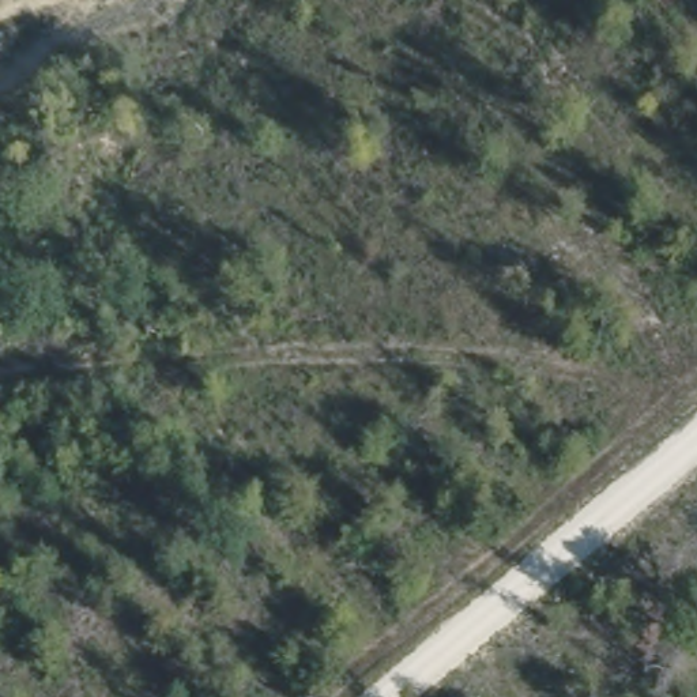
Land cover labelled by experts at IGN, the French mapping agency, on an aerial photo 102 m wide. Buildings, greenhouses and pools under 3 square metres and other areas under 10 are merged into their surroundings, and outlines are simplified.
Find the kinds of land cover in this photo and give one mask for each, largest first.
<instances>
[{"label":"coniferous trees","instance_id":"1","mask_svg":"<svg viewBox=\"0 0 697 697\"><path fill-rule=\"evenodd\" d=\"M664 316L670 321H697V0H95V8L90 14L57 3L38 14L22 11L0 22V354L11 349L44 354L46 349L60 346L65 354H74L79 359V368L90 373V381H46L44 387L30 381L16 384L14 378L0 376V697H362L365 689L376 686V681L389 667L414 653L419 643L438 632L441 623L466 610L476 596L487 594L509 569H517L528 555L523 550H509L504 542H509L515 531L534 515L536 504L550 493L553 485H564L566 479L580 476L594 457L602 455V449L610 447V433L599 436V430L588 419H542V408L531 398L542 387V381H569L583 362L591 365L596 359H604L615 370H629L643 359L645 351L637 335L640 329L653 327ZM569 569L561 580L550 583L545 594L528 602L525 610L509 626L496 632L485 645L476 648V653L466 656V662L457 670L447 672V678L438 686L425 689L419 697H697V468L672 493L651 504L643 512V517H637L629 528L618 531L615 536H607L591 555H585L583 561L572 555V561H566Z\"/></svg>","mask_w":697,"mask_h":697},{"label":"herbaceous vegetation","instance_id":"2","mask_svg":"<svg viewBox=\"0 0 697 697\"><path fill-rule=\"evenodd\" d=\"M637 335L645 351L643 359L629 370H615L604 359H596L591 365L583 362L569 381H542V387L531 398L542 408V419H588L599 430V436L610 433V447L602 449V455L594 457L580 476L566 479L564 485H553L550 493L536 504L534 515L515 531L509 542H504L509 550H523L528 555H534L542 547V542L553 531L572 520L577 509H583L602 490H607L618 476L640 466L651 452L659 449L662 441H667L672 433L686 427L697 417V321H670L664 316L653 327L640 329Z\"/></svg>","mask_w":697,"mask_h":697},{"label":"pervious surface","instance_id":"3","mask_svg":"<svg viewBox=\"0 0 697 697\"><path fill-rule=\"evenodd\" d=\"M57 3L90 14L95 8V0H0V22L22 11L38 14ZM697 468V417L686 427L672 433L667 441H662L659 449L651 452L640 466L618 476L607 490H602L583 509H577L572 520L553 531L542 542V547L534 555H528L517 569H509L487 594L476 596L466 610L441 623L438 632L419 643L414 653L389 667L376 681V686L365 689L362 697H419L425 689L438 686L447 678V672L457 670L466 662V656L476 653V648L485 645L496 632L509 626L525 610L528 602L545 594L550 583L561 580L569 569L566 561H572V555L583 561L585 555H591L607 536H615L618 531L629 528L637 517H643V512L651 504L672 493Z\"/></svg>","mask_w":697,"mask_h":697},{"label":"vineyard","instance_id":"4","mask_svg":"<svg viewBox=\"0 0 697 697\"><path fill-rule=\"evenodd\" d=\"M0 376L14 378L16 384L30 381L44 387L46 381H90V373L79 368V359L74 354H65L60 346L46 349L44 354L11 349L0 354Z\"/></svg>","mask_w":697,"mask_h":697}]
</instances>
